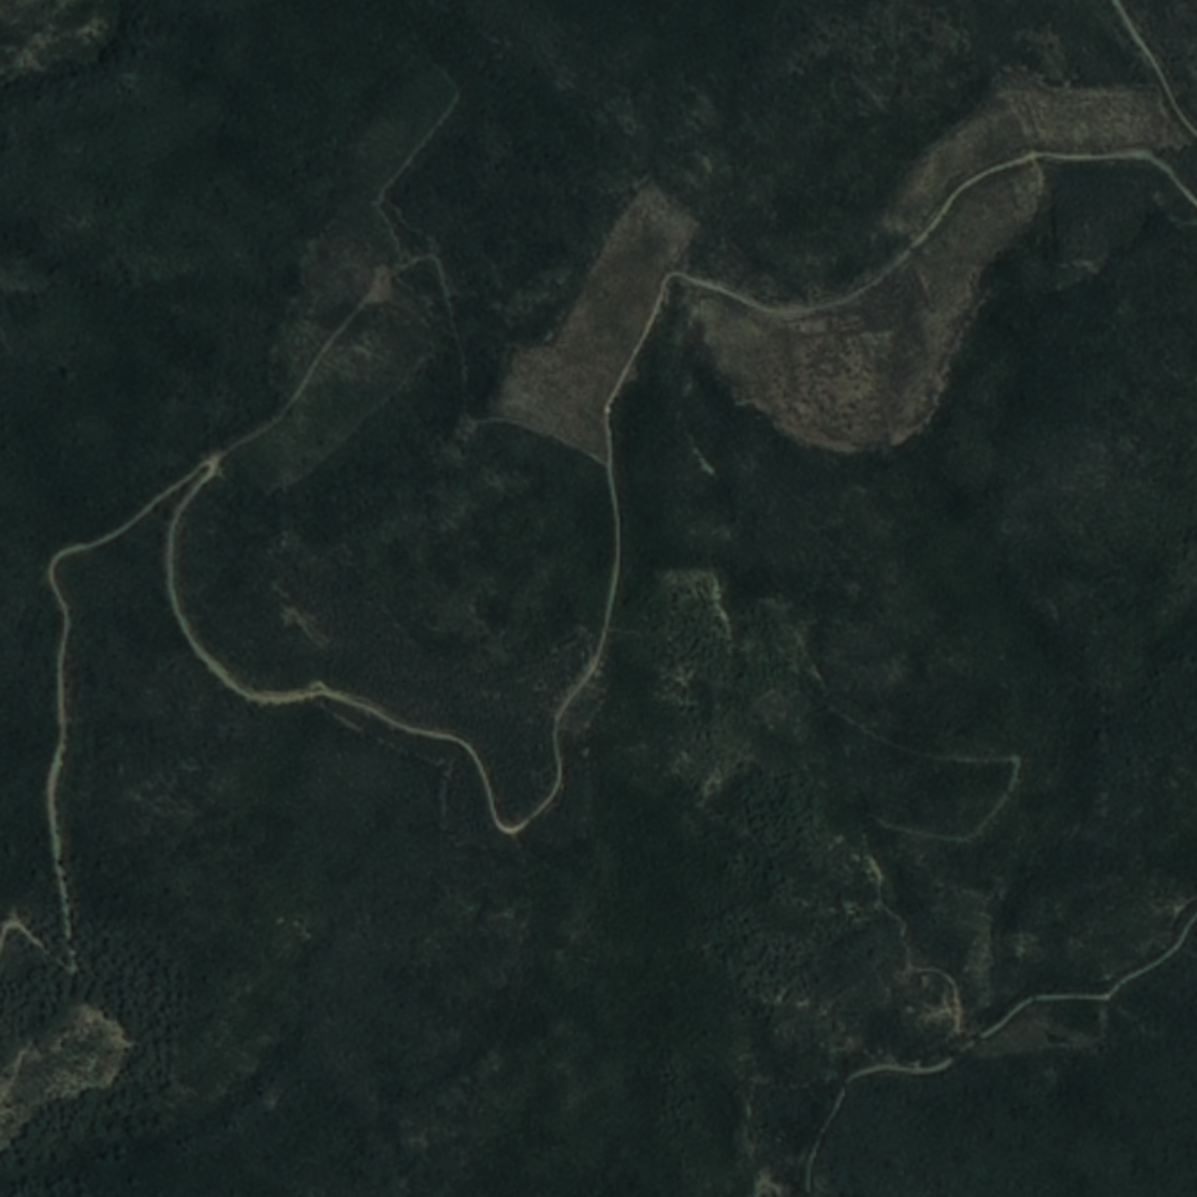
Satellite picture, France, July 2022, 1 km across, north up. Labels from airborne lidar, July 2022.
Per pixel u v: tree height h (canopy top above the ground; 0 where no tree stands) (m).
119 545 5
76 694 9
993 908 7
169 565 0
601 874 6
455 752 6
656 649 8
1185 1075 6
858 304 0
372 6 6
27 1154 15
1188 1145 5
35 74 7
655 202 0
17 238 7
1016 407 6
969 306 0
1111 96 0
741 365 0
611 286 0
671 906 5
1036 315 6
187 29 6
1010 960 6
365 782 0
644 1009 6
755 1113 8
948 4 0
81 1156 9
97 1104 13
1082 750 8
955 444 6
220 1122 7
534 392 0
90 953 7
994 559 7
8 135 6
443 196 5
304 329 0
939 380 0
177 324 7
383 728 6
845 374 0
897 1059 7
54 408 6
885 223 0
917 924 6
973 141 0
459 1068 6
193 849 5
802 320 0
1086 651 8
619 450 7
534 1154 6
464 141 6
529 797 6
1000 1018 8
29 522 6
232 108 6
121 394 6
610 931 6
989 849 6
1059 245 6
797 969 11
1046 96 0
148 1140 6
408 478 7
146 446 5
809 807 10
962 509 6
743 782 7
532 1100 5
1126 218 6
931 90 0
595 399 0
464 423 0
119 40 11
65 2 0
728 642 8
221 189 6
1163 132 0
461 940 6
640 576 6
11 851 11
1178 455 5
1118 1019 6
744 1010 10
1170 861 6
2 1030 12
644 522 5
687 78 6
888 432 0
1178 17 6
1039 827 7
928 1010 0
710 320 0
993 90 0
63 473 6
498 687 6
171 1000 11
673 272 0
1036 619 6
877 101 0
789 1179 7
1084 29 5
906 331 0
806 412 0
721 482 7
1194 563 7
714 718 9
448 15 6
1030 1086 6
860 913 10
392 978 6
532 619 8
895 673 0
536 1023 6
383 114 0
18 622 6
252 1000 6
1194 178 6
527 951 5
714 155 0
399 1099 5
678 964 6
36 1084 0
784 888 8
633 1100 7
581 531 6
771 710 0
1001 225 0
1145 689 10
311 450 0
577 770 6
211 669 0
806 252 0
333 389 0
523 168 6
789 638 6
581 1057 6
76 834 5
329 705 5
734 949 11
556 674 6
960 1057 6
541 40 0
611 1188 6
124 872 6
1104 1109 5
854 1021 9
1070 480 0
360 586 7
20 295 8
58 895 8
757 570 8
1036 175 0
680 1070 7
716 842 7
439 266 0
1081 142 0
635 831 6
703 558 7
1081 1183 8
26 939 8
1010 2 0
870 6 0
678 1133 6
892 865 6
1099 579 6
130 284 10
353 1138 5
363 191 0
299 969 6
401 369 0
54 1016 14
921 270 0
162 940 8
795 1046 6
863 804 6
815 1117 8
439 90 0
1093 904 7
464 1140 5
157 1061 12
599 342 0
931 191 0
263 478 0
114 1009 9
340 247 0
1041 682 7
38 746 6
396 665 6
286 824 6
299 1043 7
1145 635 6
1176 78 7
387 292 0
